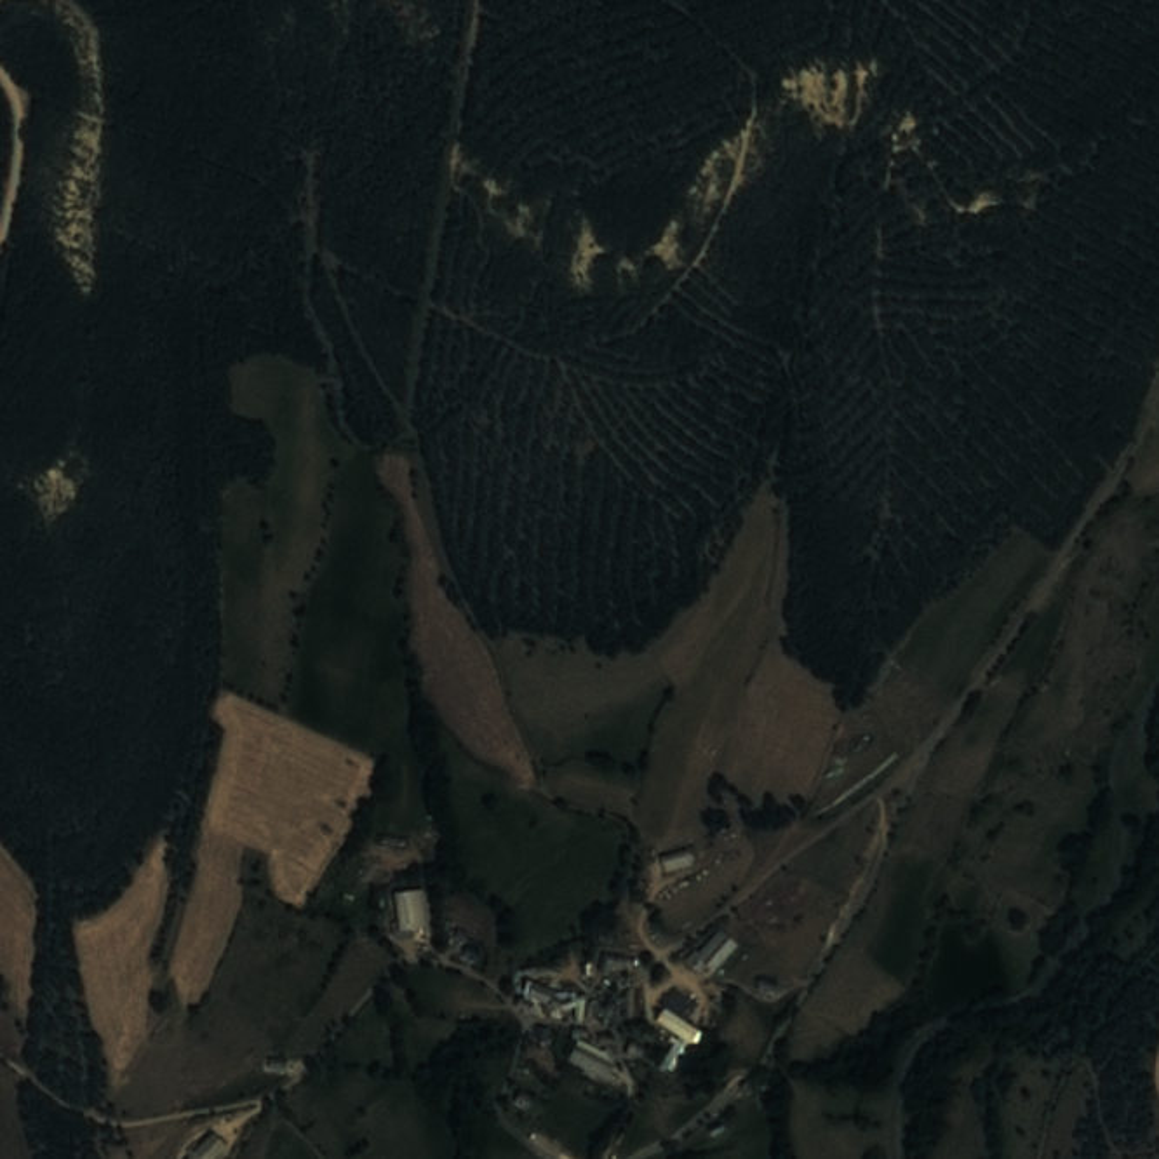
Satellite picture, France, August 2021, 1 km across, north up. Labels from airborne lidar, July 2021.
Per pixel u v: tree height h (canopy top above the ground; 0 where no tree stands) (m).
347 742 0
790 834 0
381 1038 0
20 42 9
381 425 14
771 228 8
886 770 0
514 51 13
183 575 9
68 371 9
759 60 14
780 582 0
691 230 7
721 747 0
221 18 15
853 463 11
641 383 8
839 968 0
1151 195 15
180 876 7
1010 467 14
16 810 12
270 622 0
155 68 10
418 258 10
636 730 0
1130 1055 8
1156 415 0
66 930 10
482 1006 0
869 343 10
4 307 12
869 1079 17
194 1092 0
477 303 9
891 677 0
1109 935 9
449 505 12
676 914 0
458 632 0
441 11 8
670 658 0
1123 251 14
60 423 9
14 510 10
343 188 8
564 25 13
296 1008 0
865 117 8
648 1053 6
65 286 9
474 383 11
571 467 10
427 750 19
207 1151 0
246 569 0
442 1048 12
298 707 0
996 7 13
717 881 0
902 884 0
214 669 9
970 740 0
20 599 11
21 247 11
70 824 9
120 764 11
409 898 0
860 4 12
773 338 18
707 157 7
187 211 10
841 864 0
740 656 0
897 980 0
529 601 16
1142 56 14
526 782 0
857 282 12
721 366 14
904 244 12
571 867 0
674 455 13
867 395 10
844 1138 0
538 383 9
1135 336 14
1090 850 18
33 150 10
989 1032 25
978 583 0
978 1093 9
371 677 0
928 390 12
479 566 15
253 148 13
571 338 8
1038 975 9
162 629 9
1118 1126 8
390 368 11
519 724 0
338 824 0
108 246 6
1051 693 0
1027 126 15
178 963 0
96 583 6
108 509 10
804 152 11
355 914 0
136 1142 0
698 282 6
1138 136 15
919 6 11
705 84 16
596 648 17
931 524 13
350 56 7
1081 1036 7
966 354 9
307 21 11
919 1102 20
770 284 14
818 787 0
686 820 0
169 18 10
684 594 20
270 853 0
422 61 8
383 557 0
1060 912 8
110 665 12
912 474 11
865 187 13
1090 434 16
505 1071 0
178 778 13
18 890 0
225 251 11
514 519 13
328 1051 13
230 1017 0
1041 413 13
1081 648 0
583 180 8
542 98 15
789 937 0
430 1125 0
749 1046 0
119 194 6
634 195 13
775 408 18
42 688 10
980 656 0
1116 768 0
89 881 12
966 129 14
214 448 12
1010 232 10
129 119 11
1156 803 0
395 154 11
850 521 13
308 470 0
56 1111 12
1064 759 7
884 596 15
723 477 15
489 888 0
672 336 9
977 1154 0
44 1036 13
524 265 7
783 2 13
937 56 12
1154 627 0
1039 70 14
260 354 8
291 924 0
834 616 17
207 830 0
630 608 18
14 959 0
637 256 7
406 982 17
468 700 0
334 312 12
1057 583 0
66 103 9
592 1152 10
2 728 12
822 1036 0
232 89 13
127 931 0
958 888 0
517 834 0
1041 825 0
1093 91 14
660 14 14
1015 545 0
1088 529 7
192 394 12
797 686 0
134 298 9
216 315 13
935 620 0
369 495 0
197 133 14
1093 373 10
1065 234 11
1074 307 13
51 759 13
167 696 11
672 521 13
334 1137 0
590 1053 0
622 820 8
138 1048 0
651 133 12
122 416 10
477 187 6
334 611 0
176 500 10
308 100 9
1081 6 13
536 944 0
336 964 8
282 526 0
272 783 0
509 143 14
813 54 8
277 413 0
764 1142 0
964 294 11
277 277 9
